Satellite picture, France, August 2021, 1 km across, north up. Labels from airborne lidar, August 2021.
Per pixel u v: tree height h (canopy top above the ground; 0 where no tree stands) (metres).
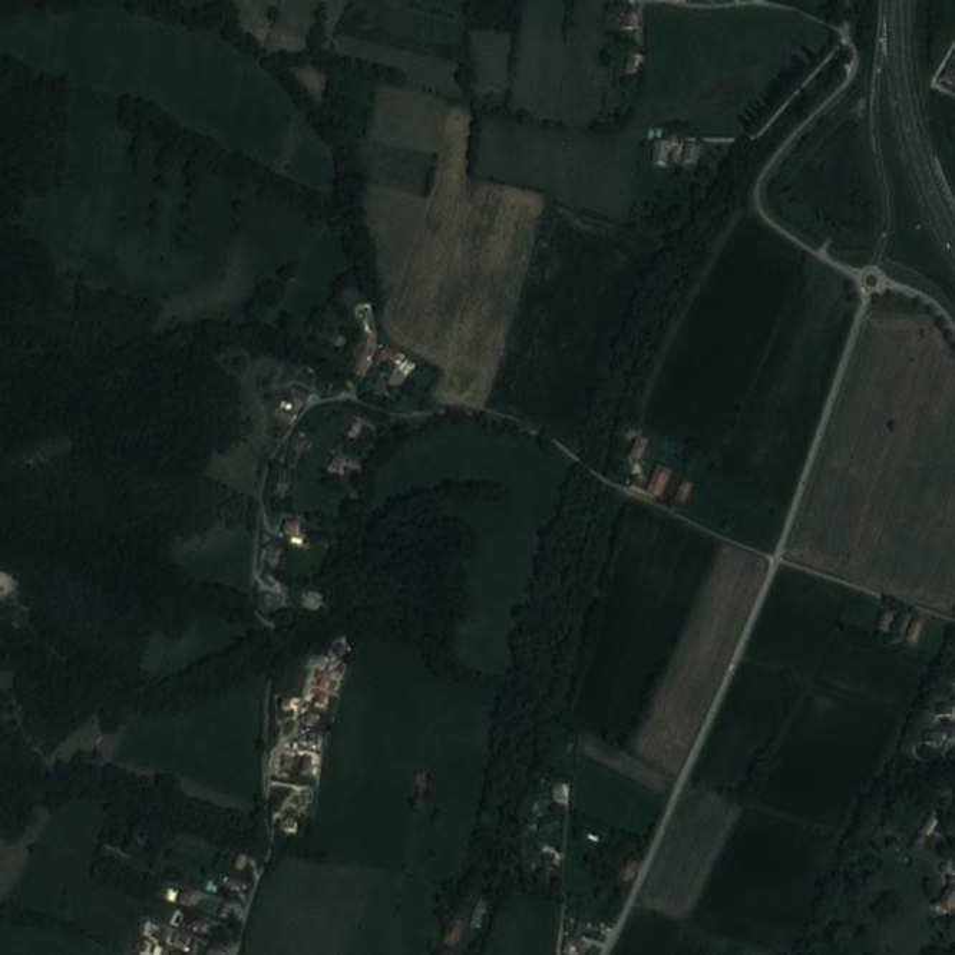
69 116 7
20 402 26
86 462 15
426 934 0
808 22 0
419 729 0
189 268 0
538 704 15
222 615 19
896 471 0
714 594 0
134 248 0
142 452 18
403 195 0
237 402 17
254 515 9
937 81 0
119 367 21
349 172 16
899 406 0
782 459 0
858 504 0
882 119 0
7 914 10
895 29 0
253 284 0
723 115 0
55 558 20
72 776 17
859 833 19
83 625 12
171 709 19
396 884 0
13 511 13
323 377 15
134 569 21
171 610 16
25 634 14
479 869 11
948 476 0
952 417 0
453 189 0
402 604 18
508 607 0
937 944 8
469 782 0
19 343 24
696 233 14
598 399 20
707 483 0
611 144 0
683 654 0
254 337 17
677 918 0
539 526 0
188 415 14
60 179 10
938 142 0
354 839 0
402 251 0
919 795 19
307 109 18
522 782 14
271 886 0
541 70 0
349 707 0
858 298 12
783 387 0
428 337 0
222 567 0
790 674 14
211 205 0
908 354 0
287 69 12
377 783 0
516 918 0
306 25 0
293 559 0
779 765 10
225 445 13
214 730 0
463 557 16
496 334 0
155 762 0
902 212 0
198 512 11
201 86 0
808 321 0
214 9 13
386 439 16
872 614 0
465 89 9
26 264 21
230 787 0
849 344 0
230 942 15
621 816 0
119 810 13
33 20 0
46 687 12
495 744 12
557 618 14
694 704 0
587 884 0
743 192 11
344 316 8
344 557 25
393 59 0
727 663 0
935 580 0
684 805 0
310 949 0
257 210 0
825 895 12
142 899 10
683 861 0
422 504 26
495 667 0
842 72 22
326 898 0
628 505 9
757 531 0
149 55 0
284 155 0
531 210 0
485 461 0
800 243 0
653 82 0
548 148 0
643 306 16
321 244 0
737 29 0
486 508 0
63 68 0
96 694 17
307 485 0
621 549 14
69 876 0
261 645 12
